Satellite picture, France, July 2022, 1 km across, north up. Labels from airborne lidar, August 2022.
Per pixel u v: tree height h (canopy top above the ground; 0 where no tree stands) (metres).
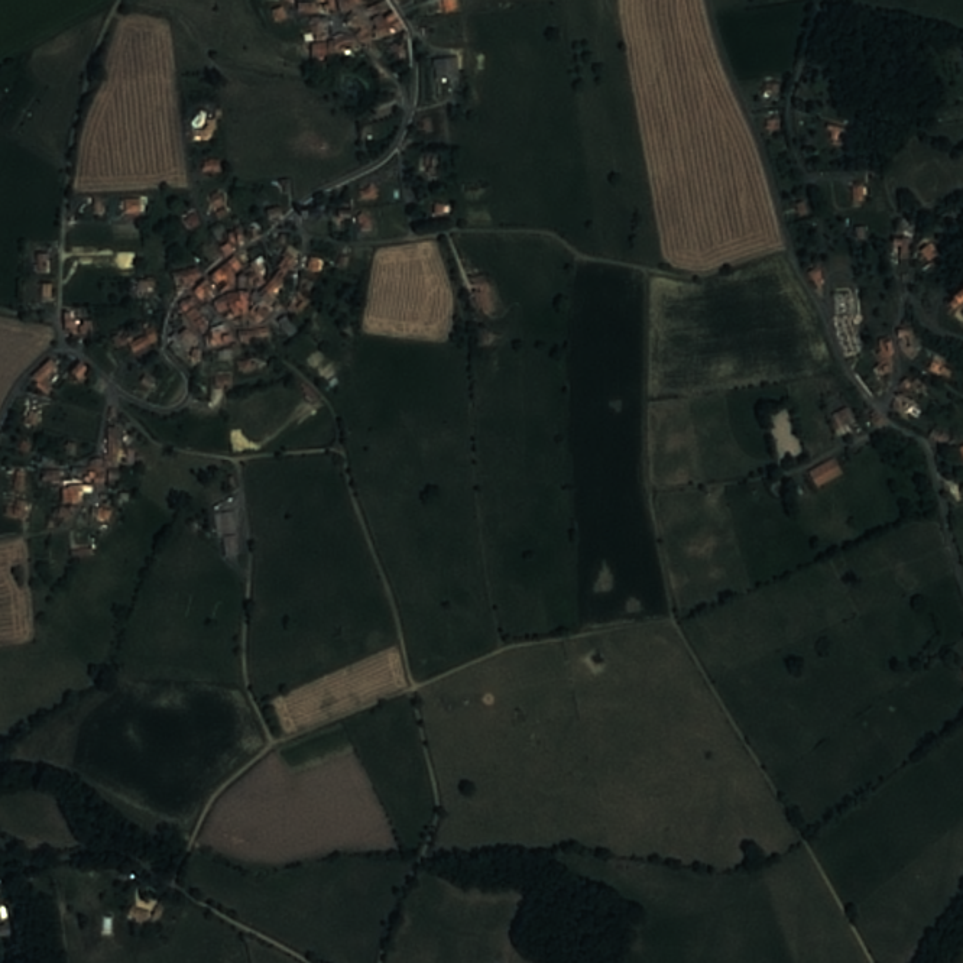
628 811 0
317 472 0
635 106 0
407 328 0
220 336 0
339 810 0
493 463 0
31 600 0
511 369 0
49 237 0
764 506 0
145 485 0
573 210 0
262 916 0
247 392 10
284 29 0
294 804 0
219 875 0
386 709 7
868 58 15
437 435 0
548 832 0
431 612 0
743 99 0
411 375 0
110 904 0
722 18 0
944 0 0
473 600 0
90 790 18
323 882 0
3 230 0
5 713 0
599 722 0
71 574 11
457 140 0
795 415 13
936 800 0
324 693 0
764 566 0
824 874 0
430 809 0
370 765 0
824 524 0
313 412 0
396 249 0
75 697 12
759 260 0
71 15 0
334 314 12
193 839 0
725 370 0
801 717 0
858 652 0
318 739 0
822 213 12
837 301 0
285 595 0
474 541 0
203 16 0
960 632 0
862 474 0
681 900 0
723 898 0
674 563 0
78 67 0
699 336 0
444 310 0
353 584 0
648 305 0
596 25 0
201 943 0
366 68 6
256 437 0
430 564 0
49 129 0
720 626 0
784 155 7
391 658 0
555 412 0
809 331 0
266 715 10
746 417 0
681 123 0
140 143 0
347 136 0
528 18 0
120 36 0
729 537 0
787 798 9
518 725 0
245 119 0
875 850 0
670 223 0
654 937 0
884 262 9
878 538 12
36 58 0
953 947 10
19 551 0
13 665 0
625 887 0
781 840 0
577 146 0
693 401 0
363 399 0
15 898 14
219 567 0
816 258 9
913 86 24
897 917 0
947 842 0
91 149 0
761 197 0
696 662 0
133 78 0
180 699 0
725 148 0
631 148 0
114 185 0
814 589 0
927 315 0
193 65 0
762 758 0
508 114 0
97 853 15
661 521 0
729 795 0
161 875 15
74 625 0
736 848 0
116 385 0
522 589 0
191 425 0
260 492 0
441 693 0
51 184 0
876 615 0
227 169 12
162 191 9
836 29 19
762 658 0
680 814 0
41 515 0
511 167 0
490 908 0
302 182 0
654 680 0
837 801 0
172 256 11
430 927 0
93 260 0
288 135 0
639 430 0
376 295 0
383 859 9
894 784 0
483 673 0
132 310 12
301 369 8
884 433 7
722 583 0
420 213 16
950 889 0
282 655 0
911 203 11
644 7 0
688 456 0
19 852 17
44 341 0
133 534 0
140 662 0
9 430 12
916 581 0
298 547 0
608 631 0
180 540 0
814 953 0
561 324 0
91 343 12
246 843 0
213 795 0
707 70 0
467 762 0
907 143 7
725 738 0
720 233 0
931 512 13
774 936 0
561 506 0
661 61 0
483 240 0
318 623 0
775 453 14
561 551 0
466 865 23
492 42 0
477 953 0
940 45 14
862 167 16
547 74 0
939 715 0
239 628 0
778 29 0
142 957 0
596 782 0
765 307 0
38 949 18
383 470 0
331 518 0
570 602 0
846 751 0
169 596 0
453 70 0
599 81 8
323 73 14
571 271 8
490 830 0
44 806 0
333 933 0
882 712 0
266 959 0
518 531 0
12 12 0
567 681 0
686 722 0
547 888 17
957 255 13
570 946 19
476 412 0
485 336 0
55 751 0
